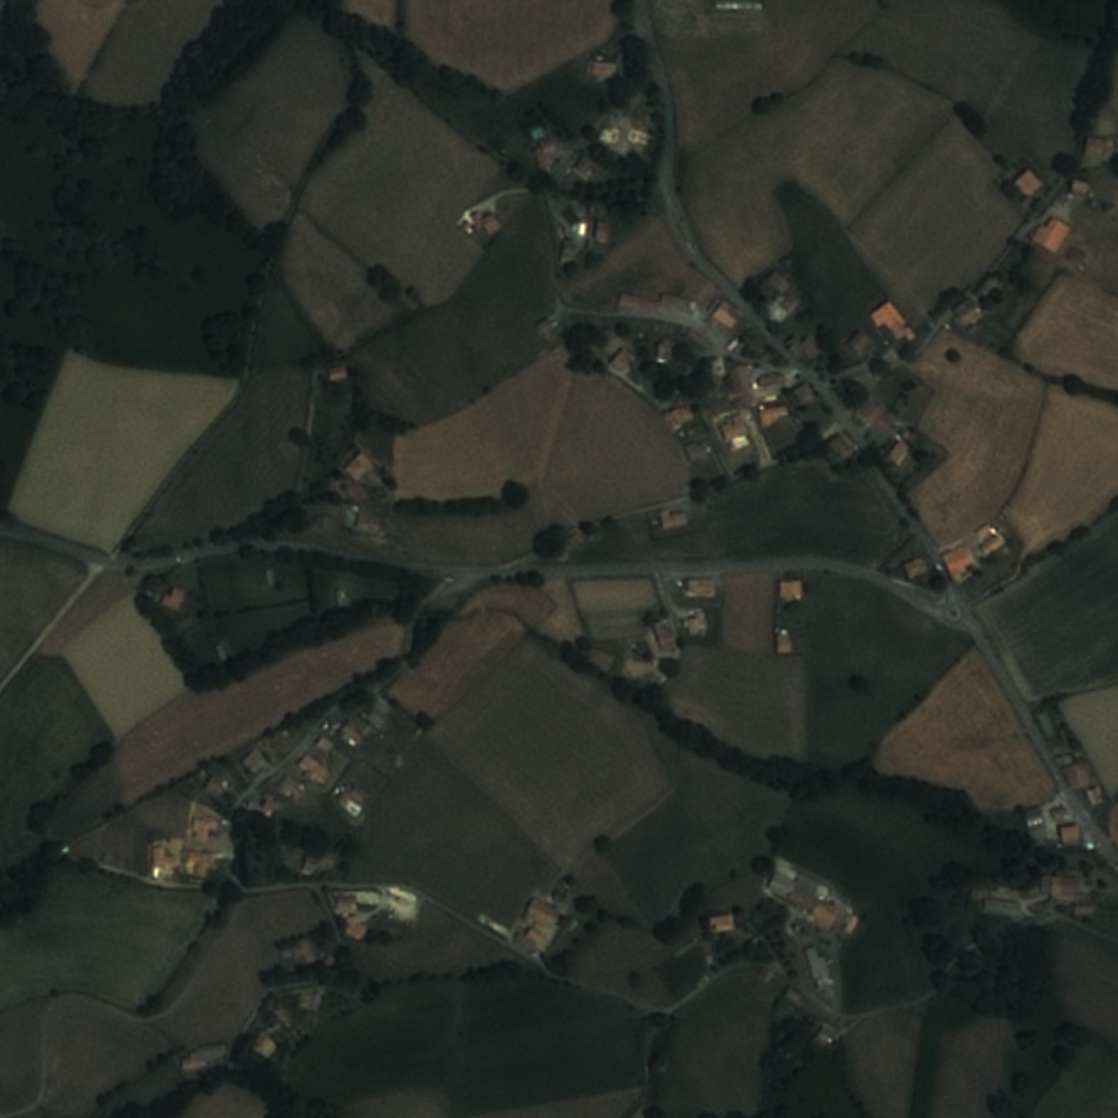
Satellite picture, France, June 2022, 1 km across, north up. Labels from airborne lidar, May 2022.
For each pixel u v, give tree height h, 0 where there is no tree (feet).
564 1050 0
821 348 47
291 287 0
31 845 0
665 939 54
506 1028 0
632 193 22
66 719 0
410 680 0
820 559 0
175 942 0
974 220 0
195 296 26
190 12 0
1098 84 66
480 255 0
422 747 0
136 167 38
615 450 0
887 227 0
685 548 0
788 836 35
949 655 0
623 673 0
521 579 41
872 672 0
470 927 0
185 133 72
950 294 30
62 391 0
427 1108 0
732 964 36
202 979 0
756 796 0
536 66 0
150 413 0
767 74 0
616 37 0
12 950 0
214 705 0
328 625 55
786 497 0
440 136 0
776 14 0
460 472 0
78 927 0
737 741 0
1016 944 81
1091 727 0
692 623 0
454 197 0
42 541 0
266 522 58
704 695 0
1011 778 0
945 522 0
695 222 0
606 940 0
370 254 0
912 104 0
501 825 0
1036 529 0
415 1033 0
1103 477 0
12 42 73
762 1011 0
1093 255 0
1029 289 23
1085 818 0
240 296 0
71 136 49
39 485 0
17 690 0
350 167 0
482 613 0
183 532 0
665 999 0
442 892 0
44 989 0
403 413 0
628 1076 0
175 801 0
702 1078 0
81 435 0
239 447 0
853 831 0
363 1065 0
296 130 0
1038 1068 0
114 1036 0
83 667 0
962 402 0
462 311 0
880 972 0
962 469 0
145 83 0
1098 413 0
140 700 0
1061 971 0
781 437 0
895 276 0
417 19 0
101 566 0
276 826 42
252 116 0
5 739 0
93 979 0
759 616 0
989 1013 50
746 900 0
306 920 0
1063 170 59
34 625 0
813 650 0
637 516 0
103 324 0
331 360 31
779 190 0
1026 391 0
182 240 0
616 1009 0
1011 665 0
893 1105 0
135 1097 0
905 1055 0
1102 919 0
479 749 0
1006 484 0
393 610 41
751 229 0
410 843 0
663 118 34
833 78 0
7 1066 0
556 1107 0
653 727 0
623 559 0
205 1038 0
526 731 0
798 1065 57
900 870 0
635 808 0
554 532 39
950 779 0
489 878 0
